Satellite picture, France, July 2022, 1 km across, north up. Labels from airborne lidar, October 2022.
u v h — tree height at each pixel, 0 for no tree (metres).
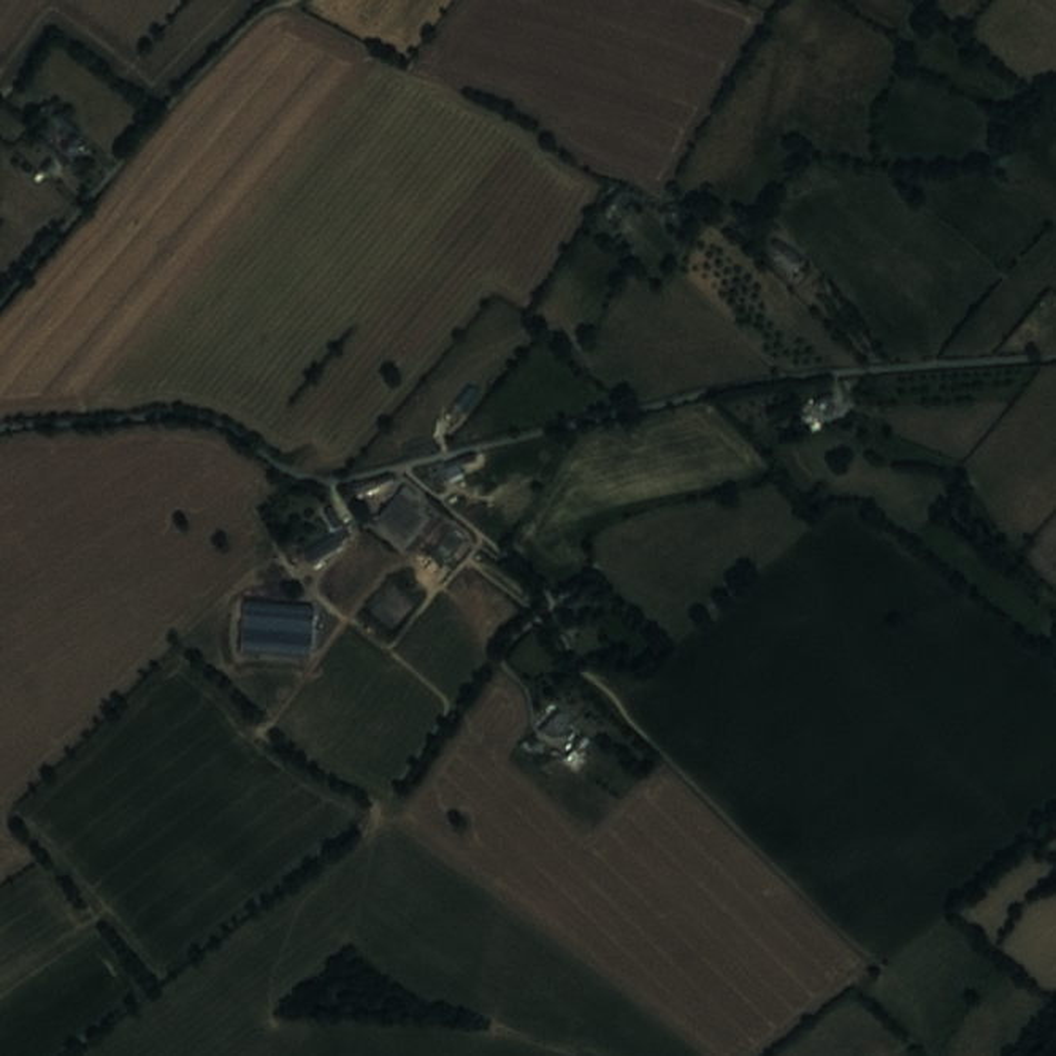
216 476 0
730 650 0
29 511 0
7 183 0
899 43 9
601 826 0
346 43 0
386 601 0
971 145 0
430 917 0
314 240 0
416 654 0
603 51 0
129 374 0
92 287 0
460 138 0
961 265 0
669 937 0
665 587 0
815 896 0
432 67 0
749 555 0
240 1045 0
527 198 0
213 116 0
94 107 0
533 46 0
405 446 0
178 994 0
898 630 10
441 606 0
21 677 0
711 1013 0
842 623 0
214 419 9
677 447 0
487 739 0
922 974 0
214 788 0
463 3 0
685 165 7
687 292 0
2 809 0
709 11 0
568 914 0
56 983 0
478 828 0
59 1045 0
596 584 17
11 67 0
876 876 0
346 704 0
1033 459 0
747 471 0
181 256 0
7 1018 0
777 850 0
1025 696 0
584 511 0
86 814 0
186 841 0
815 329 0
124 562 0
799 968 0
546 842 0
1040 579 6
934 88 6
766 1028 0
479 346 0
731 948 0
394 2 0
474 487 0
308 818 0
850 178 0
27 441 0
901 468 9
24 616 0
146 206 0
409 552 0
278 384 0
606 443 0
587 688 9
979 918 0
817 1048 0
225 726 0
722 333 0
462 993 0
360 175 0
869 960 0
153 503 0
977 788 0
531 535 0
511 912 0
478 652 0
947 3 0
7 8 0
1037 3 0
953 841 0
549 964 0
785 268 0
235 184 0
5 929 0
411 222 0
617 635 0
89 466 0
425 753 6
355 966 12
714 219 12
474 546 0
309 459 0
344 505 0
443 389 0
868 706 0
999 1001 0
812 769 0
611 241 18
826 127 0
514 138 0
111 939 12
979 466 0
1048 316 0
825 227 0
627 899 0
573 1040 0
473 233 0
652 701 0
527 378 0
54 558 0
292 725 0
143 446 0
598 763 0
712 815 0
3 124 0
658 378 0
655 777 0
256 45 0
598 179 6
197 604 0
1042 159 0
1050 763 0
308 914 0
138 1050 0
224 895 0
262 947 0
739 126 0
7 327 0
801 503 14
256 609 0
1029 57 0
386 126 0
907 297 0
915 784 0
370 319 0
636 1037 0
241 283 0
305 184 0
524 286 0
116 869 0
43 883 0
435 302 0
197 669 9
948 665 0
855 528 0
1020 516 0
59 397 0
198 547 0
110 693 0
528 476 0
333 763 0
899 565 0
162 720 0
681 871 0
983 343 0
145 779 0
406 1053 0
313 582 0
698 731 0
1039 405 0
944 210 0
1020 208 0
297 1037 0
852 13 7
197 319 0
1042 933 0
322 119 0
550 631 15
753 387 9
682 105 0
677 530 0
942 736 0
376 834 0
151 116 19
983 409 0
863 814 0
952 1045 0
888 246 0
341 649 0
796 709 0
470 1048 0
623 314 0
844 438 0
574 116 0
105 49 0
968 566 0
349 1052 0
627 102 0
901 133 0
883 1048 0
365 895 0
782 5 13
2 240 0
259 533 0
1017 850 15
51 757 0
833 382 7
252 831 0
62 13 0
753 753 0
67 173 0
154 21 0
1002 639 0
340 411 0
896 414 0
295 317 0
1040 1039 9
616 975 0
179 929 0
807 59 0
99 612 0
